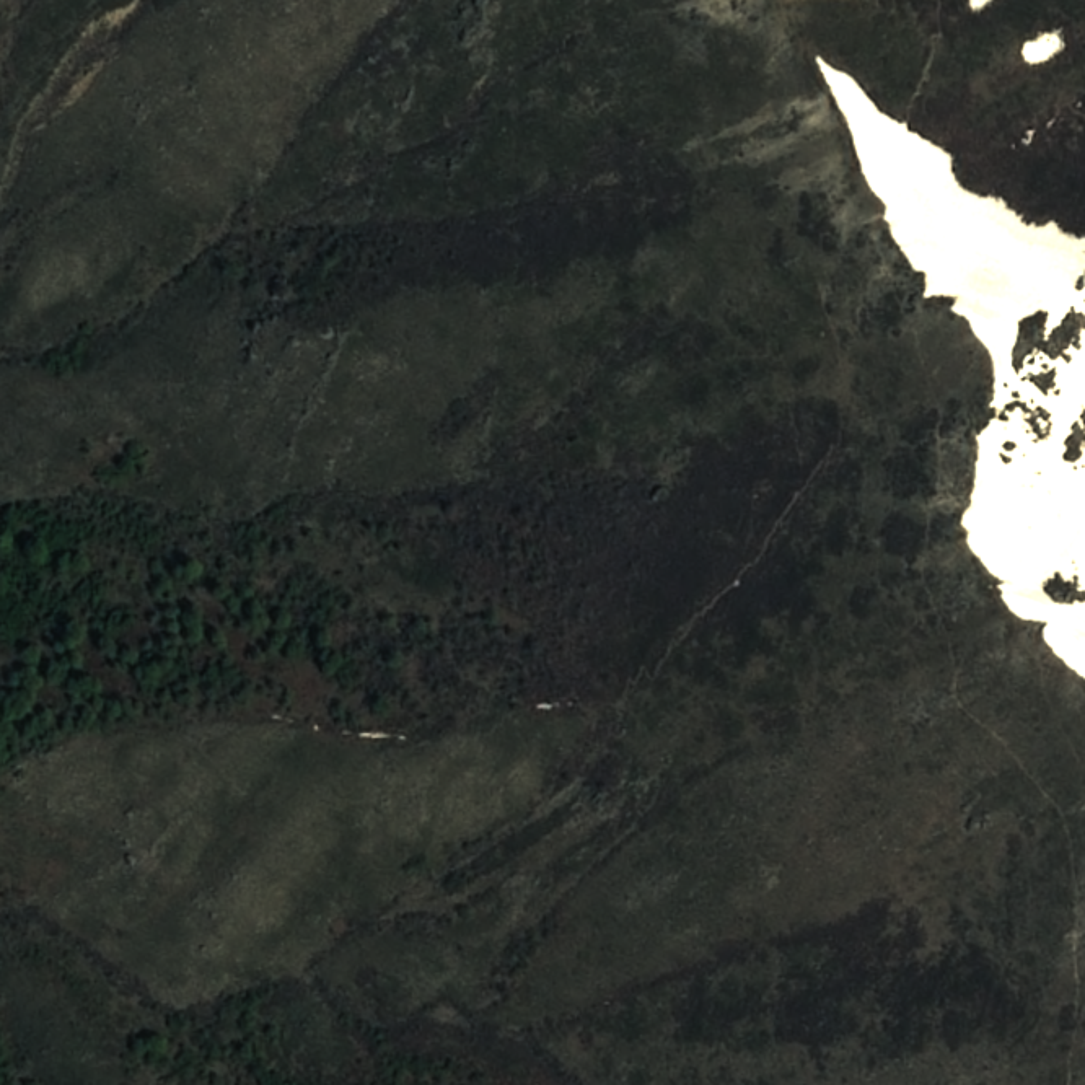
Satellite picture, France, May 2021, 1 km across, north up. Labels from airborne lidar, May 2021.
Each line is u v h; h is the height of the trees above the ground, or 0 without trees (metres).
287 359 0
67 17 0
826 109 0
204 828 0
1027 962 0
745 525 0
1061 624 0
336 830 0
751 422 0
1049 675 0
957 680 0
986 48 0
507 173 0
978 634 0
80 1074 0
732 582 0
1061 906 0
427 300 0
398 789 0
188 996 0
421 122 0
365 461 0
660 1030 0
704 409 0
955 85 0
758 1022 0
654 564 0
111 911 0
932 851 0
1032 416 0
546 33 0
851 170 0
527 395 0
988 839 0
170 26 0
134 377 0
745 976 0
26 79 0
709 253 0
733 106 0
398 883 0
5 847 0
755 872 0
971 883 0
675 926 0
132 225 0
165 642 20
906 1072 0
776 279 0
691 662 0
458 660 7
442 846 0
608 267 0
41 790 0
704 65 0
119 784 0
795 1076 0
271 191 0
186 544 9
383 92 0
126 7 0
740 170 0
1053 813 0
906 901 0
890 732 0
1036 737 0
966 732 0
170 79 0
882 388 0
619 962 0
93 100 0
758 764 0
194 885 0
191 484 0
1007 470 0
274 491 0
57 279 0
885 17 0
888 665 0
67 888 0
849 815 0
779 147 0
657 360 0
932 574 0
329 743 0
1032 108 0
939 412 0
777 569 0
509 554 15
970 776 0
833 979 0
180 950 0
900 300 0
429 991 0
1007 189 0
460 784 0
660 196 0
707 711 0
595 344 0
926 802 0
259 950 0
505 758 0
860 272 0
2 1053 15
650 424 0
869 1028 0
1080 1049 0
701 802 0
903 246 0
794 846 0
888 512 0
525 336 0
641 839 0
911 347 0
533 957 8
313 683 0
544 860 0
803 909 0
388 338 0
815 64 0
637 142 0
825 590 0
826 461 0
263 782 0
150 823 0
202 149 0
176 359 0
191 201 0
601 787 12
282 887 0
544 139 0
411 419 0
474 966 0
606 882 0
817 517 0
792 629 0
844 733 0
